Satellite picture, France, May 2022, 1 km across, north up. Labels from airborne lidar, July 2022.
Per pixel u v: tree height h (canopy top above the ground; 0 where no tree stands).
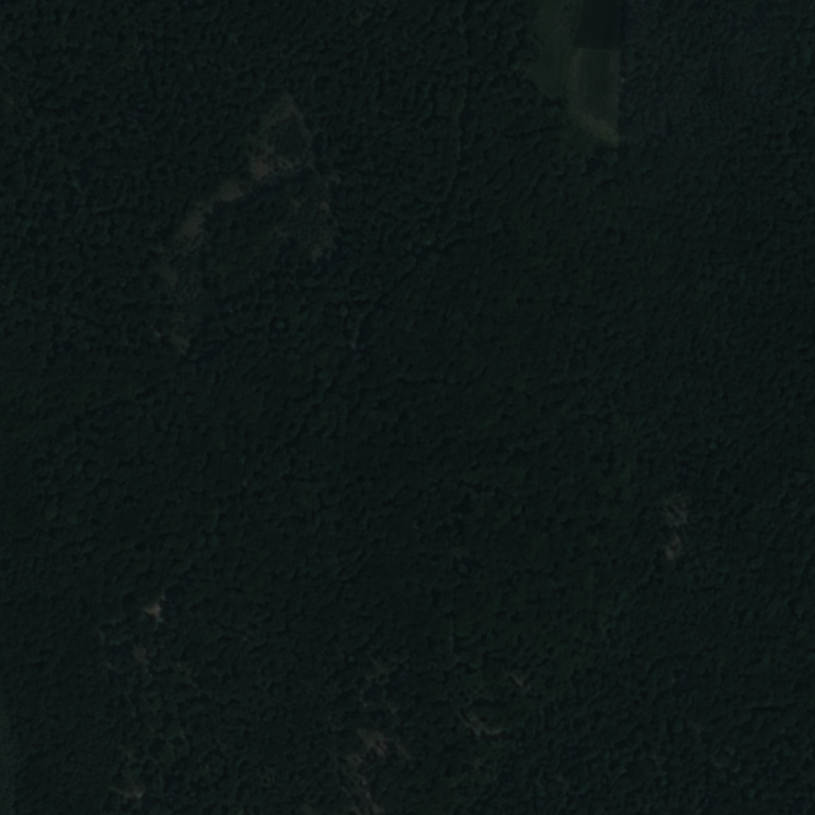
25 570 24
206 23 26
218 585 29
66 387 28
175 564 31
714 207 20
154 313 27
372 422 30
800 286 27
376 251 19
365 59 20
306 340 29
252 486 30
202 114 25
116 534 30
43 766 24
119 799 26
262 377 28
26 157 29
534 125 30
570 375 31
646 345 21
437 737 28
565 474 33
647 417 25
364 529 29
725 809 31
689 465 24
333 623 26
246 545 29
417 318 29
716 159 23
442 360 30
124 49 32
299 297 32
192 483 32
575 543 31
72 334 29
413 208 27
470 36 22
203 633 31
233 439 29
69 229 29
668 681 24
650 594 27
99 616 29
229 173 25
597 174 32
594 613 28
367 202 26
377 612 29
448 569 32
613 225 31
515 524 31
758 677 27
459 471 31
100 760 27
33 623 25
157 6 31
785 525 23
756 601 24
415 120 28
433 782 32
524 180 31
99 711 15
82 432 30
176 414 29
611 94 0
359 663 28
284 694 27
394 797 25
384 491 32
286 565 29
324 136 12
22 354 30
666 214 24
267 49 25
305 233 9
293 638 24
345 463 26
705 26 18
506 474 30
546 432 30
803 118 27
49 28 31
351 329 23
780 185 27
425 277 27
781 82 27
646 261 24
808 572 24
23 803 26
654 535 24
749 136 27
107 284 27
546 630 31
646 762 28
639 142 26
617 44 0
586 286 31
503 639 31
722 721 28
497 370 34
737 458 28
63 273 28
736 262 23
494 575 31
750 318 26
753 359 26
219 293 26
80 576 30
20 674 27
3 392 28
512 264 30
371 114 27
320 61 22
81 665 27
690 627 24
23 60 32
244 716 26
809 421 26
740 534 25
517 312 31
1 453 22
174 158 25
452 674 31
